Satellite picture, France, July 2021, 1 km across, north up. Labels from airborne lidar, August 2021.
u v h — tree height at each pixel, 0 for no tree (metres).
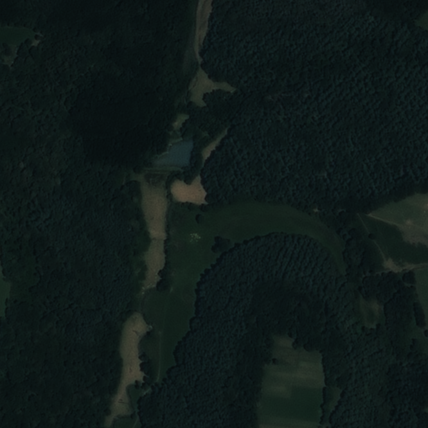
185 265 0
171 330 0
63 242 21
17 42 0
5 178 25
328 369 21
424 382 28
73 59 27
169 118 18
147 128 20
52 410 18
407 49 23
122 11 30
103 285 30
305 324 29
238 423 29
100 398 7
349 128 29
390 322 20
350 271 18
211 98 22
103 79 28
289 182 32
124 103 27
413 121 33
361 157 27
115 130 29
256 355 30
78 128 30
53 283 19
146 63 26
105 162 16
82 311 27
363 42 23
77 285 25
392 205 0
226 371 31
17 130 16
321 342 28
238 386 23
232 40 27
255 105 30
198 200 0
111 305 28
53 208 24
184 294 0
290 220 0
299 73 18
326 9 17
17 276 18
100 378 21
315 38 26
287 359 0
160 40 27
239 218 0
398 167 25
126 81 28
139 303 0
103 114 32
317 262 25
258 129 29
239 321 31
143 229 26
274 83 24
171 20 23
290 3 24
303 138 24
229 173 34
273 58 34
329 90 28
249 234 0
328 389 20
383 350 26
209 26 7
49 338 19
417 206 0
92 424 17
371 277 14
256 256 30
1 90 22
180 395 32
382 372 24
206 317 31
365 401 32
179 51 17
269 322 25
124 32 29
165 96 17
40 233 19
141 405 23
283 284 27
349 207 25
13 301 7
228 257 25
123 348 0
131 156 19
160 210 0
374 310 0
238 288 24
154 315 0
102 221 27
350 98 25
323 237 0
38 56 27
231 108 15
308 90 27
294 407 0
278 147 28
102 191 13
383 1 24
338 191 26
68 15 28
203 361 31
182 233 0
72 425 21
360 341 26
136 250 10
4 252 19
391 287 13
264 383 9
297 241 23
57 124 27
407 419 21
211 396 27
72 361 16
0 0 20
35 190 27
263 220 0
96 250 16
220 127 19
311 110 32
